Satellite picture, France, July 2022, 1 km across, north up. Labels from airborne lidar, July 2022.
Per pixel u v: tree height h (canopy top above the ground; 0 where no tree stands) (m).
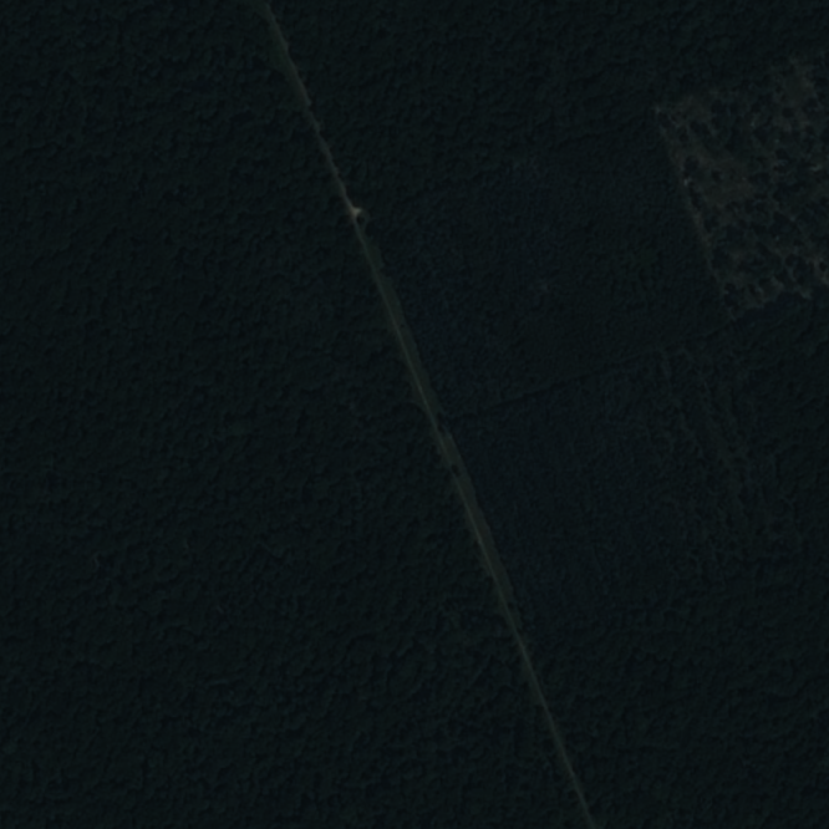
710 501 23
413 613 28
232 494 29
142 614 29
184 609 25
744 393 19
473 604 18
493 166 16
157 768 23
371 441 20
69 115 27
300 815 26
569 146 21
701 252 17
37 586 26
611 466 21
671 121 26
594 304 20
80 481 28
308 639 25
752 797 27
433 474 27
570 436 22
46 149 26
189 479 27
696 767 27
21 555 19
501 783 26
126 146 27
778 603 24
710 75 20
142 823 27
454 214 22
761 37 28
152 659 25
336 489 27
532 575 16
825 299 26
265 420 23
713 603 22
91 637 28
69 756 25
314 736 25
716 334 17
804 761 25
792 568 21
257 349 21
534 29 19
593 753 10
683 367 19
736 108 22
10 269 28
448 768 29
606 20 15
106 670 24
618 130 22
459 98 24
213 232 20
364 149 20
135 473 24
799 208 21
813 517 24
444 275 20
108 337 26
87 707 24
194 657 24
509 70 26
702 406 23
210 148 24
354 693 26
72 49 28
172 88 24
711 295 23
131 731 23
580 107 24
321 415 27
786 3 22
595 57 23
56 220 28
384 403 26
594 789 25
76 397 26
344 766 23
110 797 21
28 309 22
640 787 24
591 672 23
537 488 21
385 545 23
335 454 27
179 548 24
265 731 26
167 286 24
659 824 28
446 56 20
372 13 24
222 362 26
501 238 18
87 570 25
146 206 28
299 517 20
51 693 30
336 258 24
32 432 26
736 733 20
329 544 27
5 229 20
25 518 21
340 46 23
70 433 30
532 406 23
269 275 22
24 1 22
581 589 21
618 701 27
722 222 21
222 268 22
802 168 25
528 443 21
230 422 25
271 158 26
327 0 22
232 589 21
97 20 24
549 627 19
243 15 28
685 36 23
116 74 28
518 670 29
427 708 16
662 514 23
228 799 21
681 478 14
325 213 25
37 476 20
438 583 23
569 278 20
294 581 29
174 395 18
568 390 23
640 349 14
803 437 22
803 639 25
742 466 8
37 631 27
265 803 21
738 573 23
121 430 22
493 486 25
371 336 25
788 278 26
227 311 27
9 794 26
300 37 25
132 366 30
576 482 20
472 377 22
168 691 25
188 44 20
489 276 20
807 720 19
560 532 16
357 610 29
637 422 18
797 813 19
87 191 25
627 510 20
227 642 26
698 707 21
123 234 27
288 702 24
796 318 27
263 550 22
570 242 20
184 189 24
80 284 22
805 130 0
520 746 26
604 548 15
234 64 24
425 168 24
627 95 23
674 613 24
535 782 27
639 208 18
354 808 27
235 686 18
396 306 0
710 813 22
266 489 23
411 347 0
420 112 21
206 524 24
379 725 26
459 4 23
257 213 26
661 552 17
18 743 25
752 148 25
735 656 26
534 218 20
